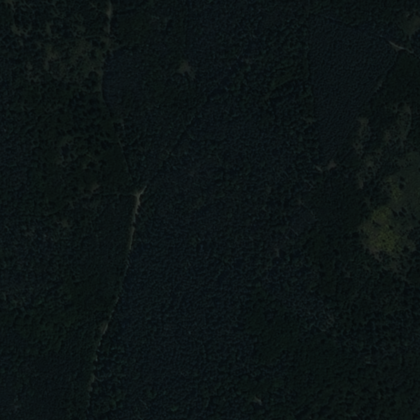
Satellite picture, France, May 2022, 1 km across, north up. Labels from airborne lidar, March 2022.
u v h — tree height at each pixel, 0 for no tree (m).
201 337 30
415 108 8
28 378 15
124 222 8
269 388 30
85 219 10
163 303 32
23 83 14
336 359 30
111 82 24
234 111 29
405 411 31
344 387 33
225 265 32
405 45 19
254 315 30
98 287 12
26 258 27
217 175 26
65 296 29
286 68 24
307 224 14
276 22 26
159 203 27
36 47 8
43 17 12
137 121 23
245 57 28
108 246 13
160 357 29
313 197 10
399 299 7
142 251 29
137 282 25
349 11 23
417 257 22
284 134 26
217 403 27
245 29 21
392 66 15
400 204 0
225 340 30
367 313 6
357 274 7
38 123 11
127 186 10
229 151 26
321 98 21
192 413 30
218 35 22
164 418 29
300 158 16
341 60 26
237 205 17
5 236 26
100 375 28
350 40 28
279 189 28
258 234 19
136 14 23
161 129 24
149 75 22
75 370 12
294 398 33
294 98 25
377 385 33
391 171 7
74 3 10
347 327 11
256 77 29
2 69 27
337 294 9
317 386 30
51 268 26
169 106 23
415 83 14
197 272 27
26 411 20
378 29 23
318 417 33
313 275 28
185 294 28
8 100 20
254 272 29
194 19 20
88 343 10
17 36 12
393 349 27
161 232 26
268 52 25
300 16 25
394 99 14
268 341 30
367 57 27
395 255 0
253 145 26
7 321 23
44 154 12
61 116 6
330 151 20
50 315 29
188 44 24
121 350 18
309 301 25
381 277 28
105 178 13
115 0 29
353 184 7
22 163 23
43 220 25
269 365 28
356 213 12
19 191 23
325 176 10
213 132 31
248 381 31
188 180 30
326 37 21
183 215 32
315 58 18
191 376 19
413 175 0
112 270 9
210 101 27
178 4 23
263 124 30
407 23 0
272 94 12
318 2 23
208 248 27
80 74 6
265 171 27
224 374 28
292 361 29
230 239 26
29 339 22
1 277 27
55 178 10
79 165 11
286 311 25
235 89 30
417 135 9
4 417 18
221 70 26
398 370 26
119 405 30
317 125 21
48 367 17
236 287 29
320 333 27
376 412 27
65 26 30
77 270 14
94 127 32
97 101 29
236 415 29
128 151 19
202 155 27
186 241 29
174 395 29
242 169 23
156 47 24
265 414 31
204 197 21
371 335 31
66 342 11
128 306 26
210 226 32
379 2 25
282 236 25
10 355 19
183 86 22
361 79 22
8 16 19
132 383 28
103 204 8
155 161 26
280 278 24
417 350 28
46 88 8
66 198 11
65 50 6
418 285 8
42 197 28
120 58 23
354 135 10
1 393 25
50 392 18
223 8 24
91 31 9
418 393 28
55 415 18
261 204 25
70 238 9
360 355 31
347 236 10
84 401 10
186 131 24
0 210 25
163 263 25
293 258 25
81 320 13
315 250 13
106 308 8
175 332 32
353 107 22
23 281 28
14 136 25
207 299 29
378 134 11
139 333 27
